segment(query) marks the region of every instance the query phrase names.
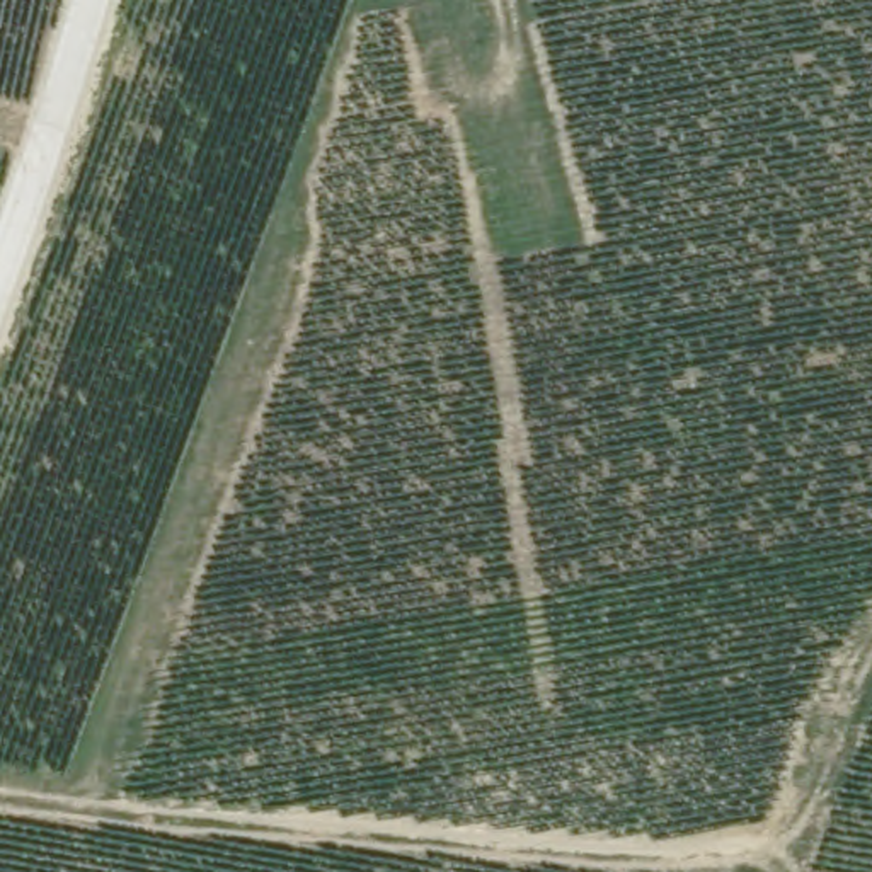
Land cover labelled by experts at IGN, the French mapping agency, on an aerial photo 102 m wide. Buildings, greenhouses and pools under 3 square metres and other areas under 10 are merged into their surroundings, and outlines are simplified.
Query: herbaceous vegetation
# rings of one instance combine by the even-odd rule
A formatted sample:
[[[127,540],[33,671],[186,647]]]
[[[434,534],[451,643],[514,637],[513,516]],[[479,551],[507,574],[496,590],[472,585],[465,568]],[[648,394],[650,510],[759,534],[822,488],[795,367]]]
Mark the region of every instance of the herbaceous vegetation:
[[[228,470],[228,463],[242,450],[242,436],[259,402],[266,368],[276,358],[283,327],[293,310],[300,273],[290,269],[290,259],[303,255],[307,249],[303,177],[317,143],[317,126],[330,106],[334,65],[344,55],[344,27],[337,27],[334,34],[327,68],[310,95],[310,116],[300,129],[286,177],[279,184],[279,198],[252,252],[249,276],[235,296],[228,330],[215,354],[211,382],[201,395],[198,419],[187,433],[177,470],[170,477],[143,569],[129,586],[129,603],[109,644],[109,657],[89,695],[89,712],[78,726],[68,766],[37,766],[24,777],[17,766],[0,766],[0,783],[24,783],[75,797],[126,794],[126,780],[136,773],[140,760],[153,746],[164,691],[170,681],[170,664],[177,661],[177,640],[170,640],[170,623],[160,610],[184,600],[208,518],[221,501],[221,484],[215,480],[215,470]]]
[[[545,109],[545,92],[538,82],[535,51],[528,37],[528,27],[535,20],[521,17],[521,72],[514,92],[501,102],[480,106],[456,95],[446,85],[446,68],[463,65],[467,75],[487,78],[494,68],[494,14],[487,0],[347,0],[344,24],[351,14],[361,10],[409,10],[409,24],[422,55],[429,89],[439,102],[453,106],[463,126],[470,167],[477,174],[487,238],[497,259],[504,252],[552,252],[559,245],[582,238],[569,181],[559,160],[555,123]]]

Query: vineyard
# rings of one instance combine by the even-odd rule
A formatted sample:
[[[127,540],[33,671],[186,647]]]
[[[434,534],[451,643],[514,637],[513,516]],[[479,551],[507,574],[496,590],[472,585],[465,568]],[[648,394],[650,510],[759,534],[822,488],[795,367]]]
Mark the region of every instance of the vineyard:
[[[845,756],[845,770],[835,777],[828,828],[807,828],[780,858],[770,858],[760,872],[872,872],[872,674],[865,678],[862,698],[852,709],[852,715],[869,732],[862,749]]]
[[[177,838],[119,824],[82,828],[0,814],[0,872],[671,872],[661,858],[651,855],[511,848],[501,862],[487,862],[450,852],[395,855],[330,841],[283,845],[255,838]]]
[[[31,99],[37,85],[44,41],[61,20],[65,0],[0,0],[0,194],[10,174],[10,160],[20,153],[31,123]]]
[[[116,27],[99,61],[99,92],[95,112],[89,119],[89,140],[65,167],[72,177],[72,191],[58,194],[51,204],[51,215],[44,221],[44,242],[31,266],[31,283],[24,283],[20,307],[14,313],[14,347],[0,358],[0,766],[17,766],[24,777],[37,766],[68,766],[78,726],[89,712],[89,695],[109,657],[109,644],[129,603],[129,586],[143,569],[170,477],[177,470],[187,433],[198,419],[201,395],[211,382],[215,354],[228,330],[235,296],[249,276],[252,252],[279,198],[279,184],[286,177],[300,129],[310,116],[310,95],[327,68],[334,34],[337,27],[344,27],[344,55],[334,65],[330,106],[317,126],[317,143],[303,177],[307,249],[303,255],[290,259],[290,269],[300,273],[293,310],[283,327],[276,358],[266,368],[259,402],[242,436],[242,450],[228,463],[228,470],[215,470],[215,480],[221,484],[221,501],[208,518],[184,600],[160,610],[170,623],[170,640],[177,640],[177,661],[170,664],[170,681],[164,691],[153,746],[140,760],[136,773],[126,780],[126,794],[140,800],[215,800],[221,807],[249,811],[310,807],[337,814],[494,824],[525,831],[562,828],[569,835],[606,831],[681,838],[732,824],[760,824],[780,790],[780,766],[790,746],[790,722],[797,719],[797,702],[811,695],[824,661],[845,644],[845,634],[852,630],[855,617],[869,613],[872,600],[872,0],[518,0],[521,17],[535,20],[528,27],[528,37],[535,51],[538,82],[545,92],[545,109],[555,123],[559,160],[569,181],[582,238],[559,245],[552,252],[504,252],[497,259],[487,238],[477,174],[470,167],[463,126],[453,106],[439,102],[429,89],[422,55],[409,24],[409,10],[361,10],[351,14],[344,24],[347,0],[119,0]]]

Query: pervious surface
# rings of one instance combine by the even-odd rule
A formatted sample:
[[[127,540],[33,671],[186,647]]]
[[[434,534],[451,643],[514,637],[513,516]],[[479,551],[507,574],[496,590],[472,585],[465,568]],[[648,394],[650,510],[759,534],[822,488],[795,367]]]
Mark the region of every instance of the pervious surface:
[[[824,661],[811,695],[797,702],[797,719],[790,722],[790,746],[780,766],[780,790],[760,824],[732,824],[681,838],[606,831],[569,835],[562,828],[525,831],[494,824],[337,814],[310,807],[249,811],[221,807],[215,800],[140,800],[126,794],[75,797],[24,783],[0,783],[0,814],[82,828],[119,824],[177,838],[255,838],[283,845],[330,841],[395,855],[450,852],[487,862],[501,862],[511,848],[651,855],[661,858],[671,872],[760,872],[770,858],[780,858],[807,828],[828,828],[835,777],[845,770],[845,756],[862,749],[869,732],[852,715],[852,709],[862,698],[865,678],[872,674],[872,600],[869,613],[855,617],[852,630],[845,634],[845,644]]]
[[[20,307],[24,283],[31,283],[31,266],[44,242],[44,221],[51,215],[51,204],[58,194],[72,191],[72,177],[65,167],[89,140],[89,119],[95,112],[99,92],[99,61],[116,27],[119,0],[65,0],[61,20],[44,41],[37,85],[31,99],[31,123],[20,153],[10,160],[10,174],[0,194],[0,358],[14,347],[14,313]]]
[[[514,92],[521,72],[521,17],[518,0],[487,0],[494,14],[494,68],[487,78],[467,75],[463,65],[446,68],[446,85],[456,95],[480,106],[501,102]]]

